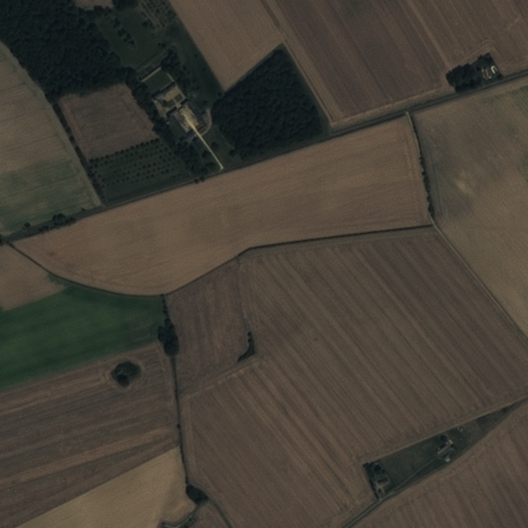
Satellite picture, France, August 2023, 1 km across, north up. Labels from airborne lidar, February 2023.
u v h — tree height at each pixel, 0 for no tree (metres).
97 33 23
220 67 0
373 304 0
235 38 0
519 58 0
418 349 0
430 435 0
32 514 0
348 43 0
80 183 0
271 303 0
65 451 0
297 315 0
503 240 0
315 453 0
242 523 0
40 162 0
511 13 0
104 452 0
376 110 0
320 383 0
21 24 23
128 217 0
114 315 0
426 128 0
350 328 0
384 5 0
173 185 0
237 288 0
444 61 0
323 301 0
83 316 0
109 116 0
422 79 0
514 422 0
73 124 0
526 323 0
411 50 0
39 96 0
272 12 0
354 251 0
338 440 0
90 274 0
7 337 0
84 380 0
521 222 0
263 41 0
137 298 0
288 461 0
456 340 0
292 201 0
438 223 0
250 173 0
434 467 0
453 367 0
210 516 0
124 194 0
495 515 0
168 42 0
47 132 0
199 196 0
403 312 0
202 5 0
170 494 0
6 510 0
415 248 0
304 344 0
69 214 0
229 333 0
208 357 0
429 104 0
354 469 0
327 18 0
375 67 0
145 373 0
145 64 0
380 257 0
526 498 0
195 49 0
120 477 0
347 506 0
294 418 0
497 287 0
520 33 0
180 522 0
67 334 0
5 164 0
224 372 0
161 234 0
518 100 0
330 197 0
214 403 0
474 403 0
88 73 22
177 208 0
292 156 0
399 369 0
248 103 24
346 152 0
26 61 16
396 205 0
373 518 0
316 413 0
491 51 0
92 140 0
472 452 0
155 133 12
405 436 0
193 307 0
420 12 0
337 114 0
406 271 0
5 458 0
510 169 0
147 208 0
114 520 0
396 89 0
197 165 19
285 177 0
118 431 0
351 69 0
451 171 0
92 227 0
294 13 0
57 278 0
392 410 0
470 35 0
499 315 0
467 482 0
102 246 0
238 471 0
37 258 0
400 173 0
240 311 0
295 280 0
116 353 0
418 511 0
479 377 0
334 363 0
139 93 21
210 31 0
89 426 0
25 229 12
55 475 0
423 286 0
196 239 0
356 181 0
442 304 0
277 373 0
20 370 0
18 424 0
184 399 0
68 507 0
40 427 0
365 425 0
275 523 0
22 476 0
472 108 0
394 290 0
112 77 21
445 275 0
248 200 0
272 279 0
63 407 0
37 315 0
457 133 0
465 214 0
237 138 14
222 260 0
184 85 6
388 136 0
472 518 0
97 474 0
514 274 0
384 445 0
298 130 11
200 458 0
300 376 0
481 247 0
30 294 0
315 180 0
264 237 0
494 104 0
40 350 0
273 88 22
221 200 0
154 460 0
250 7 0
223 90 0
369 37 0
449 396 0
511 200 0
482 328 0
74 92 13
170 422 0
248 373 0
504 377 0
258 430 0
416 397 0
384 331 0
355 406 0
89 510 0
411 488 0
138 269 0
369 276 0
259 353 0
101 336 0
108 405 0
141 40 0
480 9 0
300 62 0
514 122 0
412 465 0
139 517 0
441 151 0
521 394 0
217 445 0
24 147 0
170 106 0
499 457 0
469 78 16
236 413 0
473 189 0
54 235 0
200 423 0
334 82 0
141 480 0
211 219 0
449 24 0
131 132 0
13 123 0
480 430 0
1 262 0
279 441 0
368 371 0
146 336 0
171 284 0
